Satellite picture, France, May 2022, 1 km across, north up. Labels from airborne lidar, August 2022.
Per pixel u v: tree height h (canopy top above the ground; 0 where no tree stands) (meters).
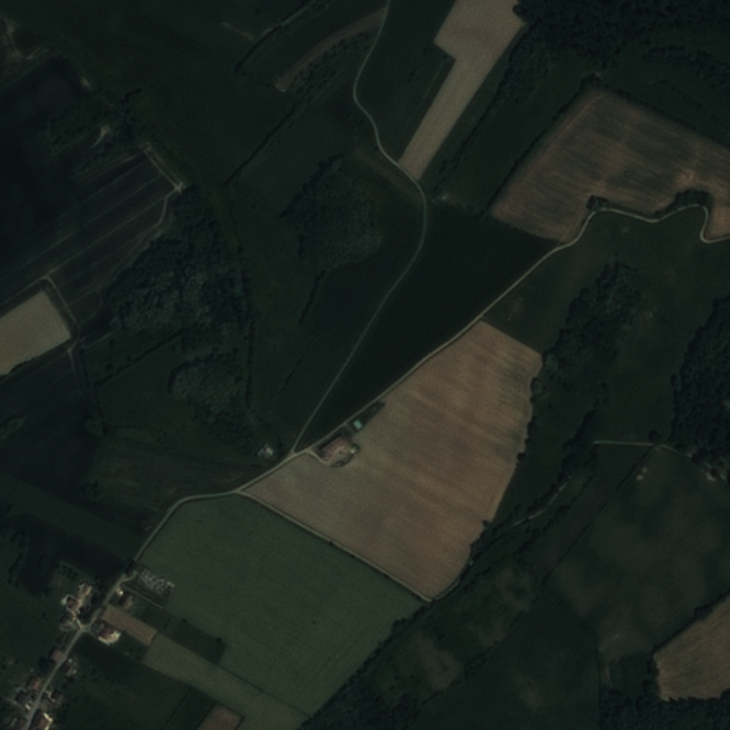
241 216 0
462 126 0
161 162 0
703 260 0
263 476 0
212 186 0
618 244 0
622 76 0
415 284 0
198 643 0
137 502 0
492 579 13
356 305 0
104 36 0
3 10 0
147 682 0
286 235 0
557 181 0
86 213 0
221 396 19
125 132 11
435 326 0
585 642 0
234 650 0
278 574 0
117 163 0
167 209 0
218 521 0
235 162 0
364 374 0
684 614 0
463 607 0
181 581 0
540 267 0
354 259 11
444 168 7
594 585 0
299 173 0
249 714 0
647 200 0
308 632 0
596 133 0
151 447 0
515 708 0
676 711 25
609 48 23
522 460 14
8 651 0
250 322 7
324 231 19
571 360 19
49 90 0
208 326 7
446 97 0
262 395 0
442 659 0
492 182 0
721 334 24
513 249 0
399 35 0
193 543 0
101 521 0
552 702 0
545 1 23
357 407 0
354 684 11
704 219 0
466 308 0
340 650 0
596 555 0
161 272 28
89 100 8
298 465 0
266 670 0
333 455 0
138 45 0
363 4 0
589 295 14
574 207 0
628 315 16
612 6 29
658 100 0
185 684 0
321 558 0
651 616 0
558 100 0
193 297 28
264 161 0
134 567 15
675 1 23
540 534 13
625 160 0
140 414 0
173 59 0
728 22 23
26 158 0
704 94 0
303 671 0
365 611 0
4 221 0
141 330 16
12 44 0
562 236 0
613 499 0
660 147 0
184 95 0
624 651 0
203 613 0
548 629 0
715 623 0
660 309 0
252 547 0
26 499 0
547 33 22
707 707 14
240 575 0
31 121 0
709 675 0
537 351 0
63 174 0
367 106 0
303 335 0
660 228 0
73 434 0
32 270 0
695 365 22
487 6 0
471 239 0
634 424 0
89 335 0
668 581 0
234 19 0
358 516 0
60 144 8
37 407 0
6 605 0
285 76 0
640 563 0
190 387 17
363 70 0
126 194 0
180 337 7
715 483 0
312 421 0
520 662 0
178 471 0
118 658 0
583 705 0
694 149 0
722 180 0
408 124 0
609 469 0
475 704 0
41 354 0
